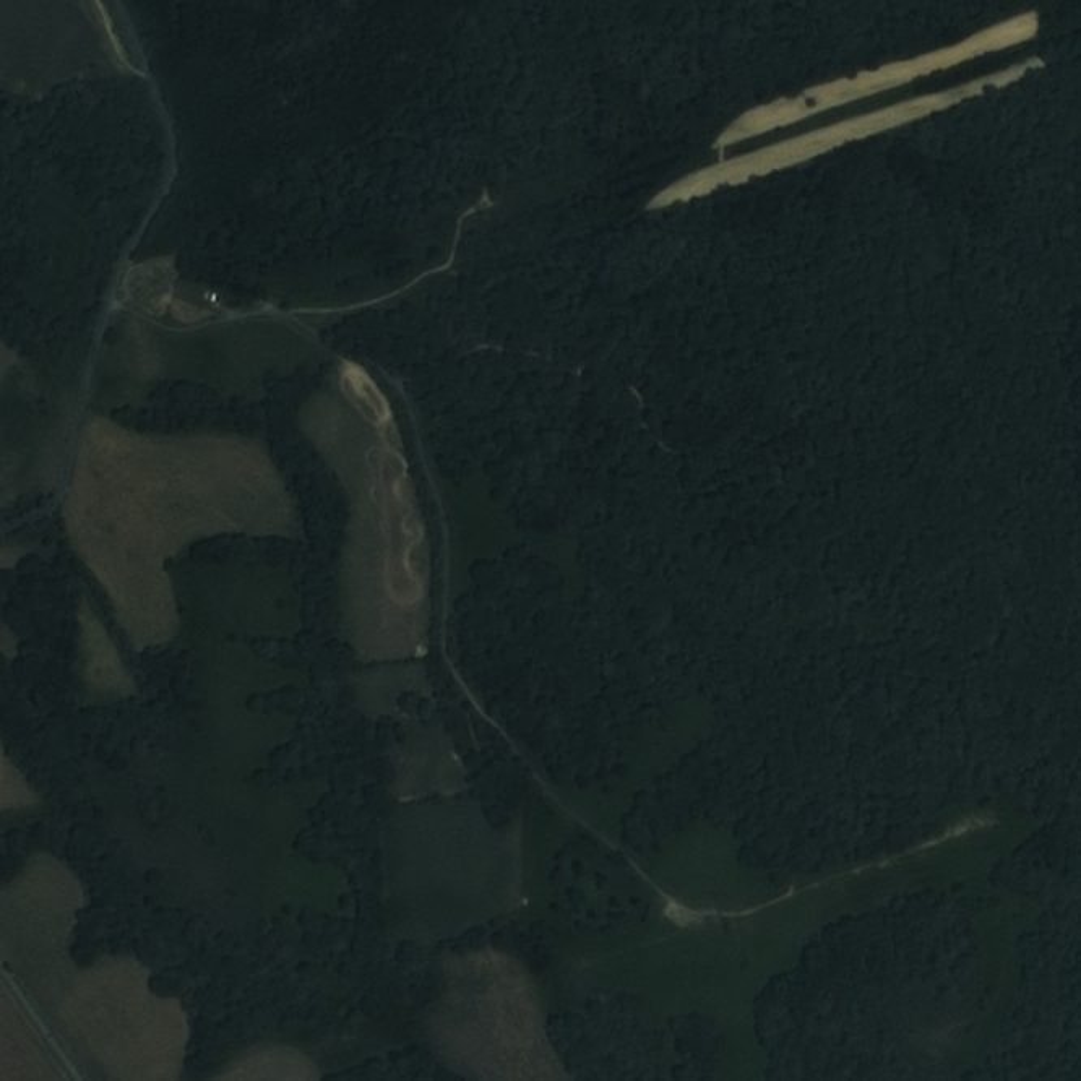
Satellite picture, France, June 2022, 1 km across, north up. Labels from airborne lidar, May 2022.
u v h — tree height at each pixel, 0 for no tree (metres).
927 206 19
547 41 18
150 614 0
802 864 15
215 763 0
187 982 16
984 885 0
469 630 14
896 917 21
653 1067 8
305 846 14
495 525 0
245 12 19
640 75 6
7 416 0
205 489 0
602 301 17
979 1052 0
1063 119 20
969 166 24
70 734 22
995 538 22
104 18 0
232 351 0
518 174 24
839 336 19
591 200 18
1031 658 23
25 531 9
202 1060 21
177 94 11
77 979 0
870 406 23
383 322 15
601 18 21
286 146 19
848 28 25
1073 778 23
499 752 7
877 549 23
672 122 26
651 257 23
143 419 11
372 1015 16
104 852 7
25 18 0
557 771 13
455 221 0
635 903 14
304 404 7
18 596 17
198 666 0
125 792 0
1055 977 8
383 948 18
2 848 10
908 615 17
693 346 22
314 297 0
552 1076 0
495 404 9
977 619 25
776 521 16
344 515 15
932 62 0
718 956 0
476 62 22
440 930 0
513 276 17
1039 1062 12
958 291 26
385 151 30
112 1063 0
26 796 0
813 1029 13
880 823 22
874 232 22
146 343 0
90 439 0
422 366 15
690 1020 10
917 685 25
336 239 20
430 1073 20
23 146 14
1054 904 11
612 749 15
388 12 13
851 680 20
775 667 13
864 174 16
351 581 0
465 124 20
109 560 0
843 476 18
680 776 17
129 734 11
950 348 22
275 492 0
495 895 0
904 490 25
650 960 0
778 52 23
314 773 19
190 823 0
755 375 24
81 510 0
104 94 8
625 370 15
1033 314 22
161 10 13
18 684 17
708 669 12
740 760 28
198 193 12
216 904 0
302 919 14
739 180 0
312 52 15
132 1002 0
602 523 20
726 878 0
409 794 0
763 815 23
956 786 20
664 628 20
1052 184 17
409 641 0
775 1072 14
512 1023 0
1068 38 11
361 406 0
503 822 18
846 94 0
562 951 0
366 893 20
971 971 14
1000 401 23
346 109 17
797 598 14
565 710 20
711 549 11
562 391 18
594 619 17
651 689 14
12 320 7
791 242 19
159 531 0
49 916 0
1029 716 24
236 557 15
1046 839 17
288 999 9
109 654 0
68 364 0
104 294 8
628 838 14
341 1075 7
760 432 20
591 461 23
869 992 8
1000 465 27
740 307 22
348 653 17
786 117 0
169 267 0
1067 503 23
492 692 15
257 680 0
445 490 0
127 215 7
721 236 19
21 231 12
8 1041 0
